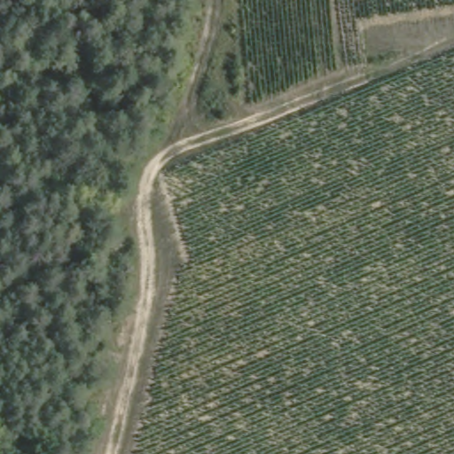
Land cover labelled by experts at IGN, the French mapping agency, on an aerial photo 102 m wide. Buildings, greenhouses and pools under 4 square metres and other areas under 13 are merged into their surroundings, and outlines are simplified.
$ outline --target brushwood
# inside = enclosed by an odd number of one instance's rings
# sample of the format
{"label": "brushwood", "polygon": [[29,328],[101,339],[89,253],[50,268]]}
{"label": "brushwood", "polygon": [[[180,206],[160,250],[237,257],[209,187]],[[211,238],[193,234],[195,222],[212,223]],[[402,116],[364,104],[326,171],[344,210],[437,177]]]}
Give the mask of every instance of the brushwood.
{"label": "brushwood", "polygon": [[209,99],[209,103],[215,106],[216,110],[222,110],[223,119],[236,119],[231,106],[234,94],[229,92],[229,83],[223,73],[225,55],[234,53],[236,85],[239,92],[245,94],[245,67],[239,48],[241,30],[238,25],[238,11],[225,21],[232,23],[232,30],[225,32],[223,27],[216,30],[204,67],[204,74],[209,76],[204,98]]}

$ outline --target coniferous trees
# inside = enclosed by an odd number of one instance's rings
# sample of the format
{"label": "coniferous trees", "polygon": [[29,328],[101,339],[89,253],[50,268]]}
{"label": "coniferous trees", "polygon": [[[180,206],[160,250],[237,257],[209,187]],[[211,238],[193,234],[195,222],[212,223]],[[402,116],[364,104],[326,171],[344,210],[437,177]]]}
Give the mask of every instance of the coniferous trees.
{"label": "coniferous trees", "polygon": [[99,408],[99,413],[106,419],[106,427],[112,422],[119,387],[124,380],[124,367],[128,364],[131,337],[135,332],[135,309],[140,294],[140,250],[137,243],[138,184],[147,163],[160,153],[163,147],[170,122],[183,106],[188,87],[197,82],[195,64],[199,60],[199,43],[206,18],[206,7],[211,7],[209,0],[0,0],[0,429],[5,426],[12,434],[16,447],[14,454],[37,454],[37,443],[34,438],[39,434],[41,424],[60,424],[64,427],[64,449],[60,450],[59,454],[89,454],[90,447],[87,442],[94,440],[96,434],[87,433],[90,411]]}

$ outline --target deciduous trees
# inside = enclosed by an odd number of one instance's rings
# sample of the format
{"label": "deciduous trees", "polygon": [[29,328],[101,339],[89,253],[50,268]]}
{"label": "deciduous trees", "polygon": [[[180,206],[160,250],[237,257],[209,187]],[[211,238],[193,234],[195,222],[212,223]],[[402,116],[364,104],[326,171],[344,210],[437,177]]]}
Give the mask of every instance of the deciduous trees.
{"label": "deciduous trees", "polygon": [[90,411],[87,433],[96,434],[105,434],[106,427],[106,419],[99,413],[99,408]]}
{"label": "deciduous trees", "polygon": [[12,434],[5,426],[0,429],[0,454],[14,454],[16,447]]}
{"label": "deciduous trees", "polygon": [[37,454],[59,454],[60,450],[64,449],[64,427],[60,424],[41,424],[39,434],[34,438],[37,443]]}

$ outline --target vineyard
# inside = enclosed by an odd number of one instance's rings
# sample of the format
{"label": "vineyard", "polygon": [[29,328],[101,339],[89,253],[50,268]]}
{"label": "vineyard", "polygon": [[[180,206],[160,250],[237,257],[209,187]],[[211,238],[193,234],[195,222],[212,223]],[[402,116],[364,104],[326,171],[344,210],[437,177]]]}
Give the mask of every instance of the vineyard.
{"label": "vineyard", "polygon": [[390,73],[380,74],[358,89],[333,94],[330,98],[323,99],[316,105],[301,108],[298,112],[289,113],[286,117],[259,128],[248,129],[236,137],[225,138],[215,144],[179,154],[158,170],[151,195],[154,199],[160,199],[163,195],[163,204],[172,227],[179,261],[172,264],[172,270],[176,275],[176,293],[174,300],[167,305],[165,330],[168,330],[170,335],[160,339],[160,349],[154,362],[153,385],[149,388],[151,403],[147,415],[140,415],[142,429],[140,434],[137,434],[137,449],[133,450],[135,454],[454,454],[454,46],[450,50],[436,51],[427,59],[424,55],[415,55],[410,64],[404,64]]}
{"label": "vineyard", "polygon": [[340,32],[355,34],[356,30],[367,30],[378,25],[440,18],[450,16],[454,12],[454,0],[238,0],[238,11],[238,25],[241,30],[239,48],[245,67],[245,94],[247,103],[257,103],[264,96],[284,92],[294,83],[305,82],[316,76],[317,66],[325,64],[333,71],[348,64],[360,64],[360,55],[349,50],[348,41],[342,41]]}

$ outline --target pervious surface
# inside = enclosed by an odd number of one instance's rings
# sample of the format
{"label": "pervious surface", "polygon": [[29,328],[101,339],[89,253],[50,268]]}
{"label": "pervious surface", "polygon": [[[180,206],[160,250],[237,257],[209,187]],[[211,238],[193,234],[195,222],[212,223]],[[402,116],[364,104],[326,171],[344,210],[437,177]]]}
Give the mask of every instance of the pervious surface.
{"label": "pervious surface", "polygon": [[105,434],[105,454],[119,454],[126,431],[131,395],[137,385],[138,364],[144,355],[149,316],[153,309],[154,238],[151,195],[158,170],[179,154],[215,144],[225,138],[236,137],[248,129],[259,128],[286,117],[289,113],[298,112],[291,106],[284,112],[273,113],[270,119],[264,121],[261,119],[261,110],[236,119],[223,119],[216,119],[211,128],[163,147],[160,153],[147,163],[138,184],[137,243],[140,250],[140,294],[135,309],[135,332],[131,337],[128,364],[124,367],[124,380],[119,387],[112,422],[106,427]]}

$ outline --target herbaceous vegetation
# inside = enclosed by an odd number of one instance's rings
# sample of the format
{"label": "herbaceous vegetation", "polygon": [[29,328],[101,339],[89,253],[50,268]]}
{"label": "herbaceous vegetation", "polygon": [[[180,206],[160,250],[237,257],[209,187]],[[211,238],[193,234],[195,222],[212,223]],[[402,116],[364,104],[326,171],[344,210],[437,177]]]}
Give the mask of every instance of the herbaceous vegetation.
{"label": "herbaceous vegetation", "polygon": [[348,64],[333,71],[325,64],[317,66],[316,76],[305,82],[294,83],[284,92],[264,96],[257,103],[247,103],[245,94],[239,92],[236,85],[234,53],[225,55],[223,73],[229,83],[229,92],[234,94],[231,106],[236,119],[261,110],[261,119],[264,121],[270,119],[273,113],[284,112],[291,106],[298,112],[301,108],[316,105],[323,99],[330,98],[333,94],[358,89],[380,74],[390,73],[404,64],[410,64],[415,55],[424,55],[427,59],[436,51],[450,50],[454,46],[454,12],[450,16],[440,18],[378,25],[367,30],[356,30],[355,34],[340,32],[342,41],[348,41],[349,50],[360,55],[360,64]]}
{"label": "herbaceous vegetation", "polygon": [[225,32],[232,30],[232,23],[225,21],[238,11],[238,0],[209,0],[211,7],[206,7],[206,18],[199,43],[199,60],[195,64],[197,82],[188,87],[183,106],[170,122],[163,147],[211,128],[216,119],[223,119],[222,110],[216,110],[215,106],[209,103],[209,99],[204,98],[209,76],[204,74],[204,67],[216,30],[223,27]]}
{"label": "herbaceous vegetation", "polygon": [[137,449],[137,434],[140,434],[142,429],[140,415],[147,415],[151,403],[149,388],[153,385],[154,362],[160,349],[160,339],[170,335],[168,330],[165,330],[167,305],[174,300],[176,293],[176,275],[172,270],[172,264],[179,261],[172,227],[163,204],[163,195],[160,199],[154,199],[151,195],[154,238],[153,309],[149,316],[144,355],[138,364],[137,385],[131,395],[126,431],[119,454],[135,454],[133,450]]}
{"label": "herbaceous vegetation", "polygon": [[94,440],[87,442],[90,447],[89,454],[105,454],[105,434],[96,434]]}

